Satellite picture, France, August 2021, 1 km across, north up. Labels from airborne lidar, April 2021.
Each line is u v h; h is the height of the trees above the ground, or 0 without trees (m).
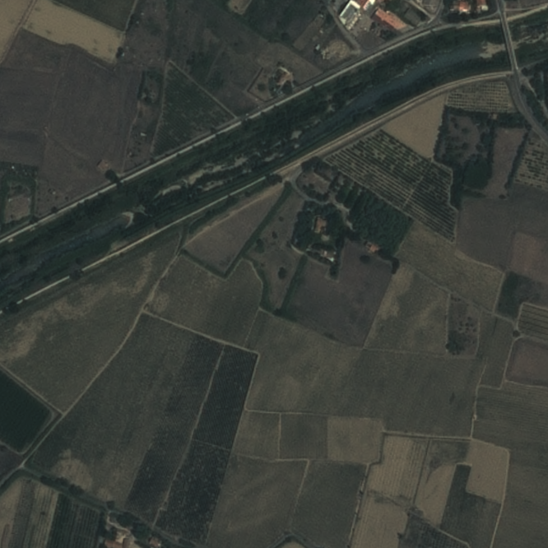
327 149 0
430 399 0
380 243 16
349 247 0
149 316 0
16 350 0
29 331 0
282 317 6
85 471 0
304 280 0
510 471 0
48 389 0
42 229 6
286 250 0
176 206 7
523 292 0
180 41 0
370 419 0
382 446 0
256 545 0
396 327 0
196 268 0
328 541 0
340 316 0
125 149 0
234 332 0
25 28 0
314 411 0
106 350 0
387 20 0
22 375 0
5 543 0
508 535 0
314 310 0
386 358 0
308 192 11
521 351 0
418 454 0
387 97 7
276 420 0
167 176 0
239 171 13
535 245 0
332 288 0
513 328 0
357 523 0
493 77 0
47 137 0
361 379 0
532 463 0
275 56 0
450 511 0
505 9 0
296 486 0
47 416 6
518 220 0
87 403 0
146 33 0
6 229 8
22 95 0
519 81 0
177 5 0
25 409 7
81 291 0
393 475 0
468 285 0
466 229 0
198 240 0
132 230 12
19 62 0
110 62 0
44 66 0
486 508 0
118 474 0
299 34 0
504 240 0
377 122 0
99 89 0
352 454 0
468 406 0
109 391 0
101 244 6
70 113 0
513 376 0
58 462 0
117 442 0
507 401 0
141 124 0
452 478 0
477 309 0
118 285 0
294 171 0
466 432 0
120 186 11
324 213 16
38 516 0
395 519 0
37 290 0
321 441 0
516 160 8
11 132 0
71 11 0
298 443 0
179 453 0
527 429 0
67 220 8
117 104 0
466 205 0
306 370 0
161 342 0
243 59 0
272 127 8
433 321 0
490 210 0
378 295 0
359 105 0
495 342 0
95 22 0
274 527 0
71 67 0
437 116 0
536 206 0
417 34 0
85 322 0
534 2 0
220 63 0
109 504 11
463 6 0
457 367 0
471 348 0
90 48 0
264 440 0
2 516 0
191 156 6
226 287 0
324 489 0
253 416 0
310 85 0
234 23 0
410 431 0
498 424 0
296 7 0
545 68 9
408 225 17
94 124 0
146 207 10
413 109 0
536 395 0
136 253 0
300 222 10
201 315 0
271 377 0
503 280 0
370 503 0
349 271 0
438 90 0
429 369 0
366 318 0
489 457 0
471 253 0
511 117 7
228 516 0
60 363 0
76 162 0
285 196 5
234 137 7
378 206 19
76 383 0
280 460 0
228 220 0
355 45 0
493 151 12
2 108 0
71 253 6
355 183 9
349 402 0
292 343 0
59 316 0
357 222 12
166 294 0
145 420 0
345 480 0
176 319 0
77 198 0
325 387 0
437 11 0
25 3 0
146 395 0
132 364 0
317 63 0
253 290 0
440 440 0
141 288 0
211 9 0
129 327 0
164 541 10
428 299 0
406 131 0
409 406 0
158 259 0
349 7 0
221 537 0
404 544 0
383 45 0
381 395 0
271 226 0
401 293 0
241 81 0
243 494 0
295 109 6
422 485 0
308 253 8
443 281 0
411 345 0
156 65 0
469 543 0
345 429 0
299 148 6
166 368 0
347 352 0
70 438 0
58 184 0
